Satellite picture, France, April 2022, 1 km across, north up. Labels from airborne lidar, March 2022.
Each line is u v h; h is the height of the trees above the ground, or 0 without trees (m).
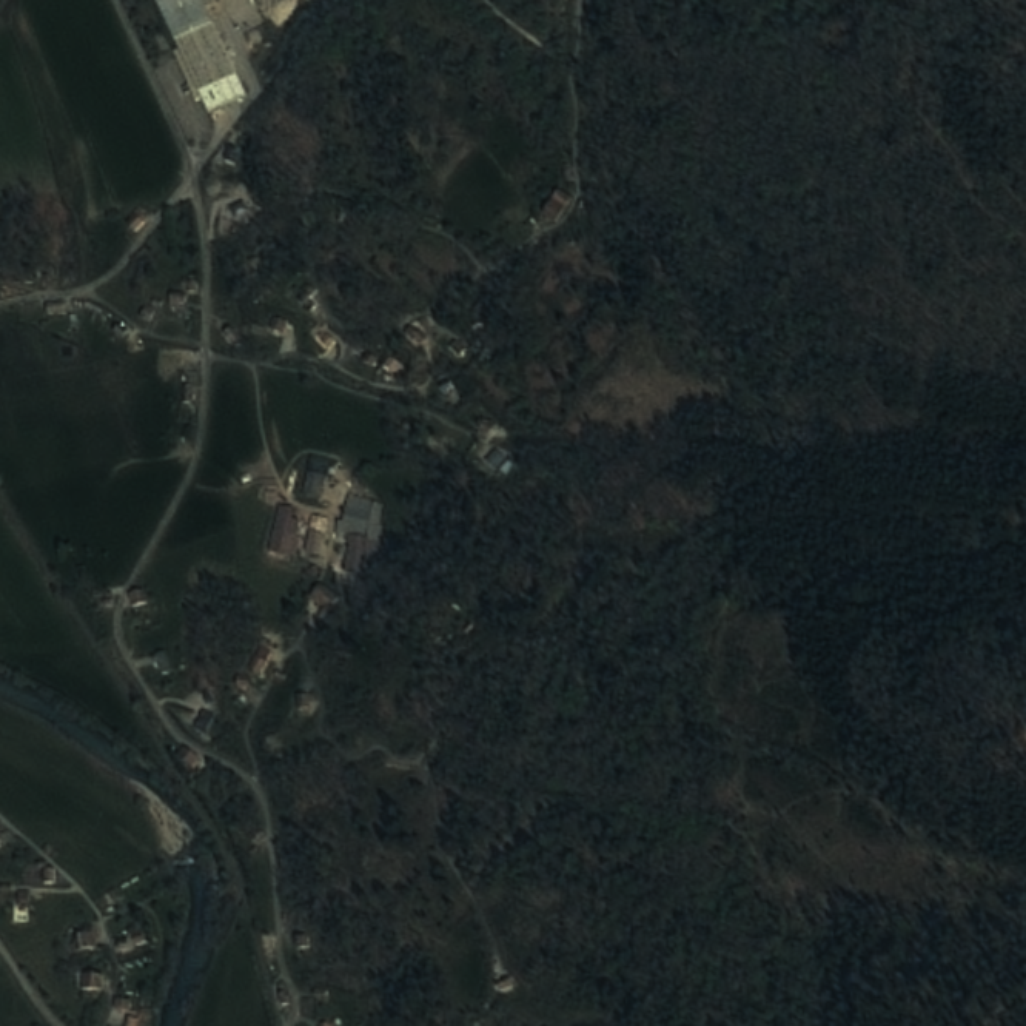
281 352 0
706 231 18
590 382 0
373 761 0
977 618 33
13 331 0
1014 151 24
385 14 20
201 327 0
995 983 27
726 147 22
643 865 12
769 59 19
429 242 0
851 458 22
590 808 19
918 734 12
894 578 25
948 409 26
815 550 22
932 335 23
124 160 0
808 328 22
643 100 20
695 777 21
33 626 0
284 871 10
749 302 21
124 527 0
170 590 0
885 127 23
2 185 0
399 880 0
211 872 15
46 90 0
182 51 0
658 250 22
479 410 0
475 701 21
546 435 17
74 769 0
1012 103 21
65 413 0
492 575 22
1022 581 22
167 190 0
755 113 20
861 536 26
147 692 0
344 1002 0
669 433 29
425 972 15
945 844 24
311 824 0
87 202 0
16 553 0
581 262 0
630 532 27
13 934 0
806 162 22
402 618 13
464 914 0
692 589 21
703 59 18
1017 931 26
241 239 18
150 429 0
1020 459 28
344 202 9
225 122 0
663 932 23
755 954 24
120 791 0
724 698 0
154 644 0
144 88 0
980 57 19
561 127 19
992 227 20
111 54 0
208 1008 0
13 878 0
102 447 0
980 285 23
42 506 0
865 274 21
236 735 7
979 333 24
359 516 0
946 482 22
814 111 20
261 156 12
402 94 7
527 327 15
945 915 21
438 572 22
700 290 14
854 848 0
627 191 16
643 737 26
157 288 0
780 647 0
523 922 0
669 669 16
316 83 23
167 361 0
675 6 16
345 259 12
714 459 27
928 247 22
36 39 0
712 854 17
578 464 24
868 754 33
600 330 0
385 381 0
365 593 26
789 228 21
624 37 12
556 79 16
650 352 0
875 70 24
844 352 20
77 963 8
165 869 17
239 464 0
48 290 0
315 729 0
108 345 0
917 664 23
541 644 15
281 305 0
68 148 0
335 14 25
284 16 0
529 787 22
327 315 0
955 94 21
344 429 0
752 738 18
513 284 12
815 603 14
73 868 0
